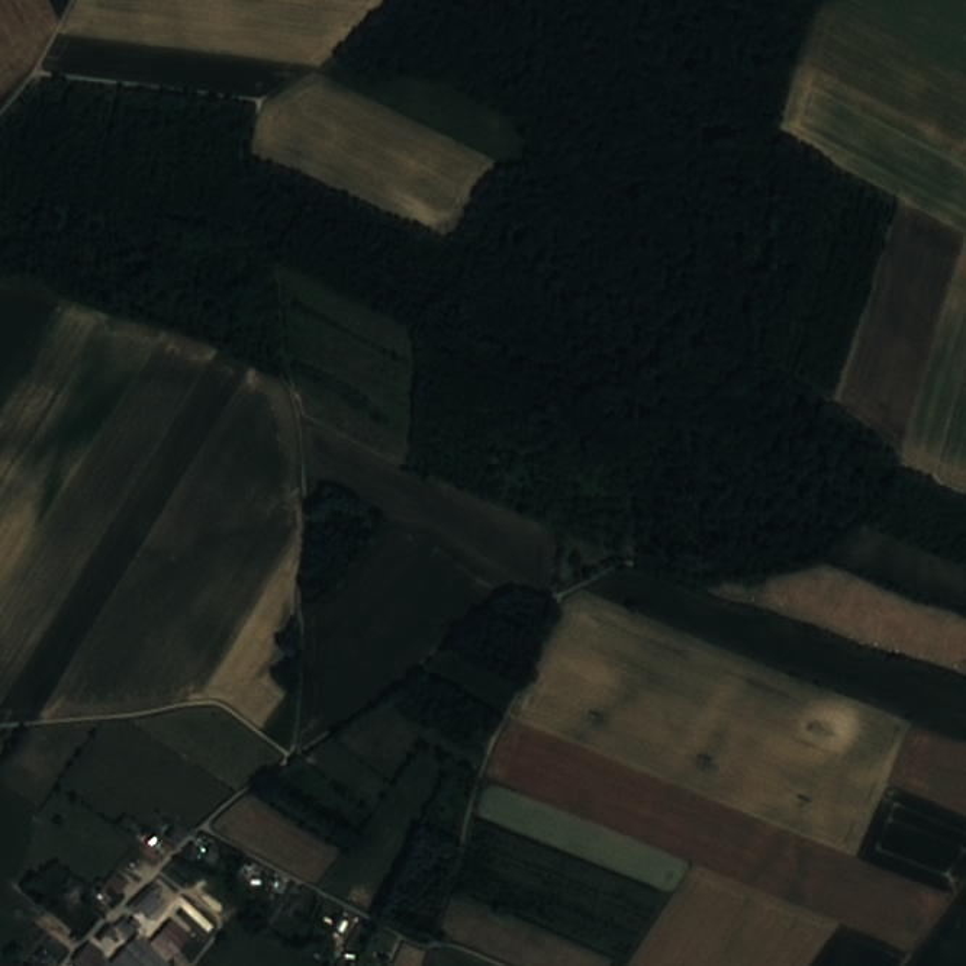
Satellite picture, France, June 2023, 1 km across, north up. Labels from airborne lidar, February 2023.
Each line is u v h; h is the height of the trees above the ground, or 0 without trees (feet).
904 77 0
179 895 0
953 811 0
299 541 0
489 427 71
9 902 0
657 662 0
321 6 0
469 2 68
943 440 0
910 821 0
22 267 66
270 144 0
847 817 0
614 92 66
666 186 63
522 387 57
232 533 0
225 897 0
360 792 0
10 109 0
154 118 24
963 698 0
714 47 65
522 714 0
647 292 62
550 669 0
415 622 0
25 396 0
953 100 0
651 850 0
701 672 0
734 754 0
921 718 0
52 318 0
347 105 0
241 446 0
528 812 0
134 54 0
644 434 48
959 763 0
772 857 0
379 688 0
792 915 0
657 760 0
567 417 70
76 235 70
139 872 0
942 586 0
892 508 23
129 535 0
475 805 0
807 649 0
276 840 0
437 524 0
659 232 68
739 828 0
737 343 66
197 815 0
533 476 23
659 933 0
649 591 0
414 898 71
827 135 0
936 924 0
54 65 0
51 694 0
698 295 70
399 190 0
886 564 0
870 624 0
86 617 0
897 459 53
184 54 0
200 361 0
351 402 25
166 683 0
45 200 43
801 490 55
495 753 0
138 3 0
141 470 0
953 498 21
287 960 0
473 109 0
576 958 0
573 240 70
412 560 0
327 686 0
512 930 0
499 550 0
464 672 0
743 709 0
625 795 0
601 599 0
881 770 0
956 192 0
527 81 59
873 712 0
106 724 0
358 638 0
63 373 0
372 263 46
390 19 58
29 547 0
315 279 24
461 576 0
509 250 56
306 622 0
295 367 23
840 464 52
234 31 0
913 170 0
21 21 0
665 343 71
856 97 0
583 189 63
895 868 0
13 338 0
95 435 0
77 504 0
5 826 0
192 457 0
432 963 0
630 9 71
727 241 66
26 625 0
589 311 56
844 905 0
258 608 0
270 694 0
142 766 0
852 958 0
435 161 0
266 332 64
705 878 0
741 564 55
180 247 57
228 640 0
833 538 35
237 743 0
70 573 0
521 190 55
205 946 0
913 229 0
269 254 55
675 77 62
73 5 0
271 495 0
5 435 0
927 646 0
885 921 0
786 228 66
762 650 0
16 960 25
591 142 52
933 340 0
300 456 0
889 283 0
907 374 0
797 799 0
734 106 70
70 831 0
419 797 0
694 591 27
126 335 0
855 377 0
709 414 79
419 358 36
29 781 0
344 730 27
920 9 0
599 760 0
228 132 21
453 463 45
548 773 0
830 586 0
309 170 0
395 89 0
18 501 0
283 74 0
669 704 0
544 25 71
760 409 54
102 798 0
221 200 48
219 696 0
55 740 0
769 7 62
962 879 0
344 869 0
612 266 71
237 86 0
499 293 68
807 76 0
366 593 0
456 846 42
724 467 42
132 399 0
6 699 0
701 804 0
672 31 67
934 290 0
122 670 0
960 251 0
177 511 0
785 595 0
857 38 0
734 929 0
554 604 75
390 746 0
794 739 0
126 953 0
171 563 0
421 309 41
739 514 37
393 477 0
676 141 76
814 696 0
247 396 0
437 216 0
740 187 77
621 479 51
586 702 0
